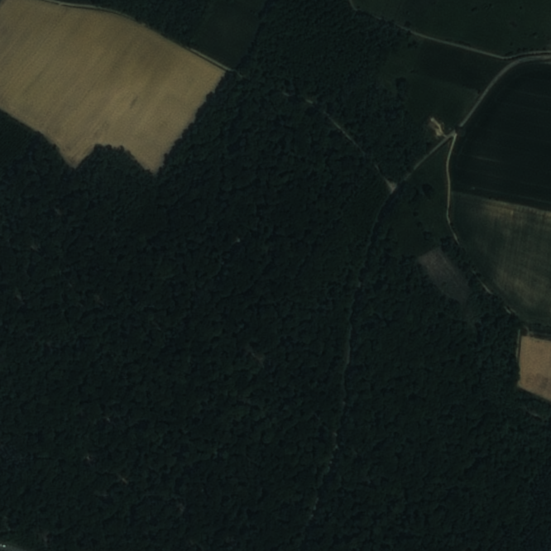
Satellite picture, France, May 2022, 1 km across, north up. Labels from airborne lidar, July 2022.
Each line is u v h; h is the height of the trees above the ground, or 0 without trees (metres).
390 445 25
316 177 25
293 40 20
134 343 31
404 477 29
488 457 13
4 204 19
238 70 13
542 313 0
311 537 26
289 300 20
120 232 32
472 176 0
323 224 26
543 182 0
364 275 17
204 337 30
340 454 22
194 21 30
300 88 26
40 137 21
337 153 25
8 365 21
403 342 25
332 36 19
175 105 0
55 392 30
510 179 0
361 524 26
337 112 27
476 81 0
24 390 22
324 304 23
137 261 34
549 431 22
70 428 27
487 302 23
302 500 24
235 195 30
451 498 30
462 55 0
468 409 26
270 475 25
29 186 29
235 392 24
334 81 23
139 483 27
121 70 0
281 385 22
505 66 0
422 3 0
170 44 0
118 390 28
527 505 19
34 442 27
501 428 23
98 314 26
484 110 0
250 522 29
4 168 7
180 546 27
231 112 23
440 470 27
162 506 29
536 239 0
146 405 26
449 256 19
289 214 31
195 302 27
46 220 23
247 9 0
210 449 22
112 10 17
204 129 25
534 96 0
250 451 29
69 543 27
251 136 24
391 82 0
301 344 14
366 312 25
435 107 0
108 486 18
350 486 28
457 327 18
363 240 9
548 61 0
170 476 27
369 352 19
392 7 0
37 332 25
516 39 0
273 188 30
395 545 23
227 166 31
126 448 30
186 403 30
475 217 0
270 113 24
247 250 28
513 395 20
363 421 22
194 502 24
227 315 31
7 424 28
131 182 24
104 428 30
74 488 27
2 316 30
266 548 28
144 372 26
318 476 16
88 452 27
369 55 24
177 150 17
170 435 26
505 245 0
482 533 25
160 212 19
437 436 23
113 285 28
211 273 24
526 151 0
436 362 26
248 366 25
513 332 19
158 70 0
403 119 24
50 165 27
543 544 22
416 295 23
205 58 0
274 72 22
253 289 34
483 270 0
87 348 28
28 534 19
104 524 29
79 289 28
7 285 28
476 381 11
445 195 0
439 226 0
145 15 20
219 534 30
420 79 0
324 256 26
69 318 28
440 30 0
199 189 31
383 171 17
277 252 30
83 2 0
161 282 31
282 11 19
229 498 20
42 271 28
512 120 0
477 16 0
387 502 9
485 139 0
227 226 30
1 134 8
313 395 29
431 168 0
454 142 0
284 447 29
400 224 0
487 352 22
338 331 29
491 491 25
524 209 0
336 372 26
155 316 34
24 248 24
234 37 0
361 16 21
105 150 20
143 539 30
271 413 23
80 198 28
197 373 26
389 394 29
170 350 24
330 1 20
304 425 29
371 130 24
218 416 28
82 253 29
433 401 26
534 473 14
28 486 26
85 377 27
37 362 28
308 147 26
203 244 29
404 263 14
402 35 20
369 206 12
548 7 0
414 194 21
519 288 0
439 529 24
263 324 29
